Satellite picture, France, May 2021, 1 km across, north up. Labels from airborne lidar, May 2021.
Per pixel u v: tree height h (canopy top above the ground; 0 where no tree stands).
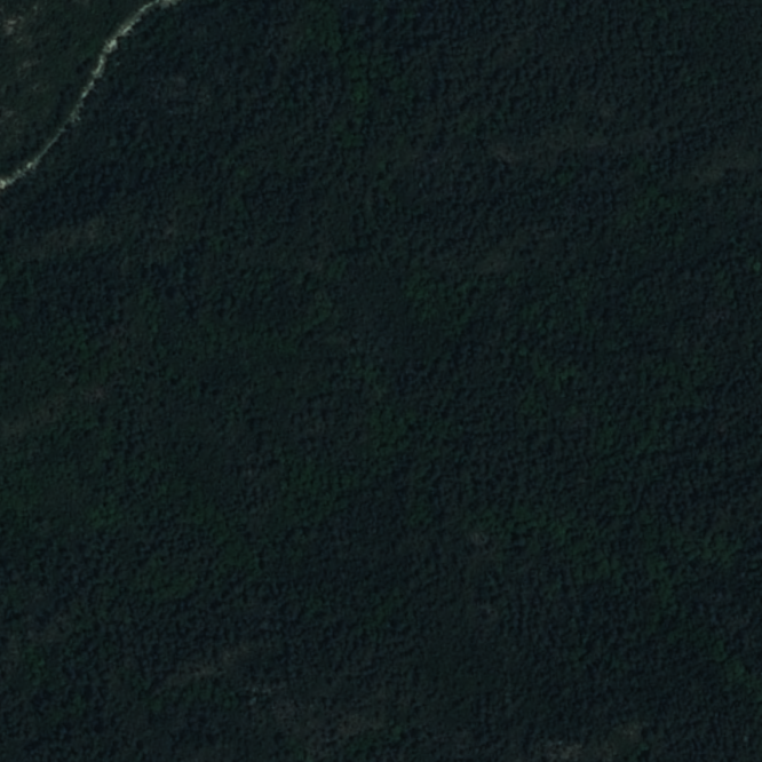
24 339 12
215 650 10
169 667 16
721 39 23
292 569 16
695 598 8
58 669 8
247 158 24
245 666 7
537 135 13
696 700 24
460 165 9
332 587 10
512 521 17
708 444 26
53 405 10
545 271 13
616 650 10
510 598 7
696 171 20
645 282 19
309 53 12
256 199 23
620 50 23
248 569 11
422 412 12
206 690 17
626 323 13
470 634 10
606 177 22
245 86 8
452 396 15
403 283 21
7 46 8
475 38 24
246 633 17
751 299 21
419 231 24
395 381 6
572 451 6
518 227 7
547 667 9
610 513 12
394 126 21
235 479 7
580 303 14
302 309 17
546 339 20
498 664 10
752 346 11
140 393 10
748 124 21
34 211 14
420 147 24
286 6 25
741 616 7
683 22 22
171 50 11
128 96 8
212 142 16
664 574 18
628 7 17
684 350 7
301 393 7
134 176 8
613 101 20
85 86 10
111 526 6
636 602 12
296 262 8
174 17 14
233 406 12
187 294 25
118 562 21
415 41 8
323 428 7
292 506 8
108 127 9
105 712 24
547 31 25
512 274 13
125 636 23
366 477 18
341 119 26
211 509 19
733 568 12
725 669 15
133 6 7
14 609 16
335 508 13
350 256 26
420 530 10
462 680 7
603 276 9
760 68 20
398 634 23
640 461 6
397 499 6
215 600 8
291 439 7
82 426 17
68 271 9
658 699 10
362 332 6
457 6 19
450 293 16
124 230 21
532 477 10
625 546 14
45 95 9
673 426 13
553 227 6
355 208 12
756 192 8
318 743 5
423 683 20
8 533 18
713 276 22
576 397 12
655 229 24
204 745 10
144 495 16
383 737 16
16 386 14
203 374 8
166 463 9
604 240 10
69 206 12
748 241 17
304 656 19
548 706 12
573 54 17
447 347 13
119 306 23
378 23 23
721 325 14
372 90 13
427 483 22
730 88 15
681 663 11
